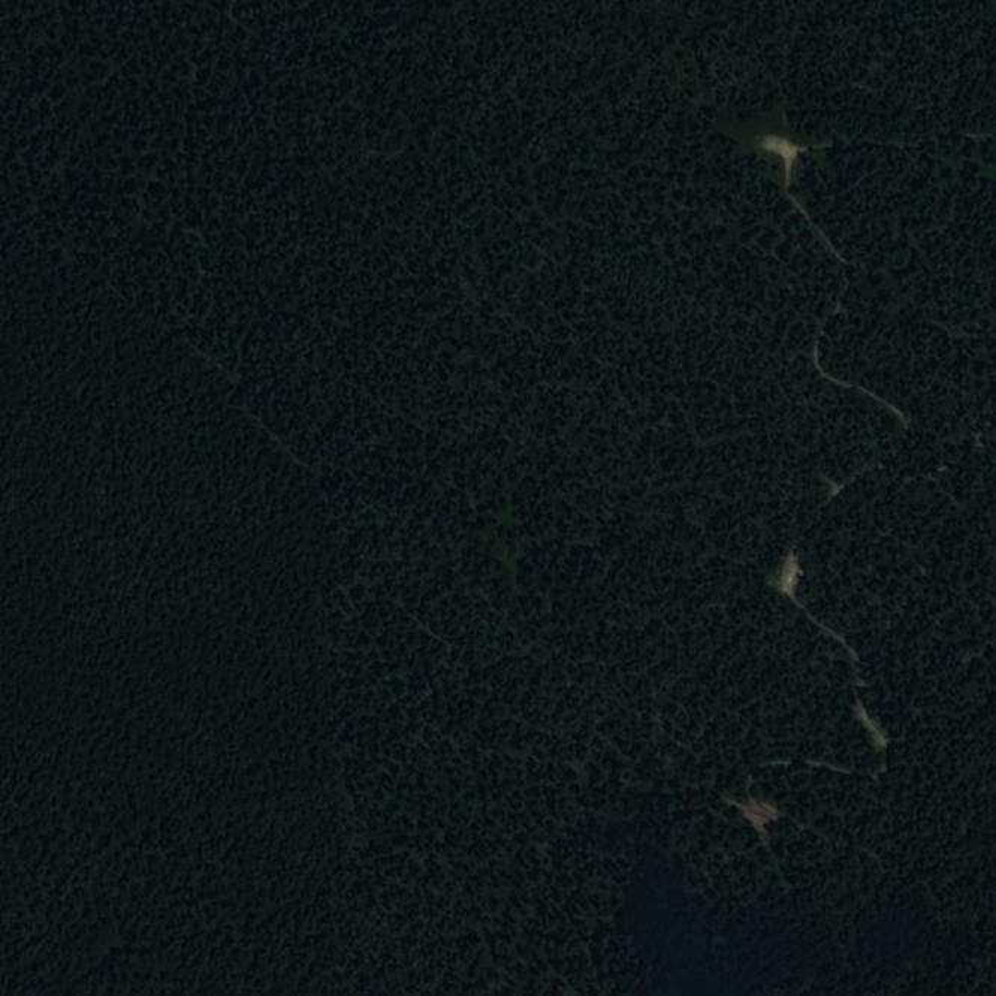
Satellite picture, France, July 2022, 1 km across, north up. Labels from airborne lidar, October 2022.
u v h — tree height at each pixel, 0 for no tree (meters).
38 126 31
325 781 22
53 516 17
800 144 0
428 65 9
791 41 14
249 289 11
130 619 12
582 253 17
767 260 9
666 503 21
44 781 28
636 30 6
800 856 27
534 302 7
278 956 18
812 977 12
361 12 23
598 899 9
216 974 23
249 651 24
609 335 18
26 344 25
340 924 23
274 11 18
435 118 15
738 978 17
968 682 24
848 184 24
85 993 20
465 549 8
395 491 32
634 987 24
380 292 19
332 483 12
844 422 13
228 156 29
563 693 14
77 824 14
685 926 21
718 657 13
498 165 18
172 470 16
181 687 20
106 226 31
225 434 22
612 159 22
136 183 12
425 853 30
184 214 29
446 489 15
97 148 12
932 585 22
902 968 24
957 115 18
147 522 23
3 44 8
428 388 17
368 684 24
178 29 22
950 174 25
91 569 19
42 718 17
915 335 12
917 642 27
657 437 16
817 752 20
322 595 22
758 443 8
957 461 15
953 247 9
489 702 19
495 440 6
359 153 8
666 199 23
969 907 20
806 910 18
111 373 18
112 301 24
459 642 9
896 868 18
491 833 10
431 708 28
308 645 21
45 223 13
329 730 22
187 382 28
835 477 17
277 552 18
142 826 12
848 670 23
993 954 24
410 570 21
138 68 23
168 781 26
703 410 18
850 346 16
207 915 16
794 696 20
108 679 22
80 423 20
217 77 28
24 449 12
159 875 23
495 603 9
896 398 7
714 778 18
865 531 22
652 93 9
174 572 20
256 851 17
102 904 22
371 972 27
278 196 18
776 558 9
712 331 16
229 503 20
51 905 16
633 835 23
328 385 26
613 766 7
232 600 11
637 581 24
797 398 17
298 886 20
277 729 15
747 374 9
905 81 16
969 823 12
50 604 20
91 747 20
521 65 12
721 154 15
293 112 22
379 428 27
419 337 23
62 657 10
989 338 15
